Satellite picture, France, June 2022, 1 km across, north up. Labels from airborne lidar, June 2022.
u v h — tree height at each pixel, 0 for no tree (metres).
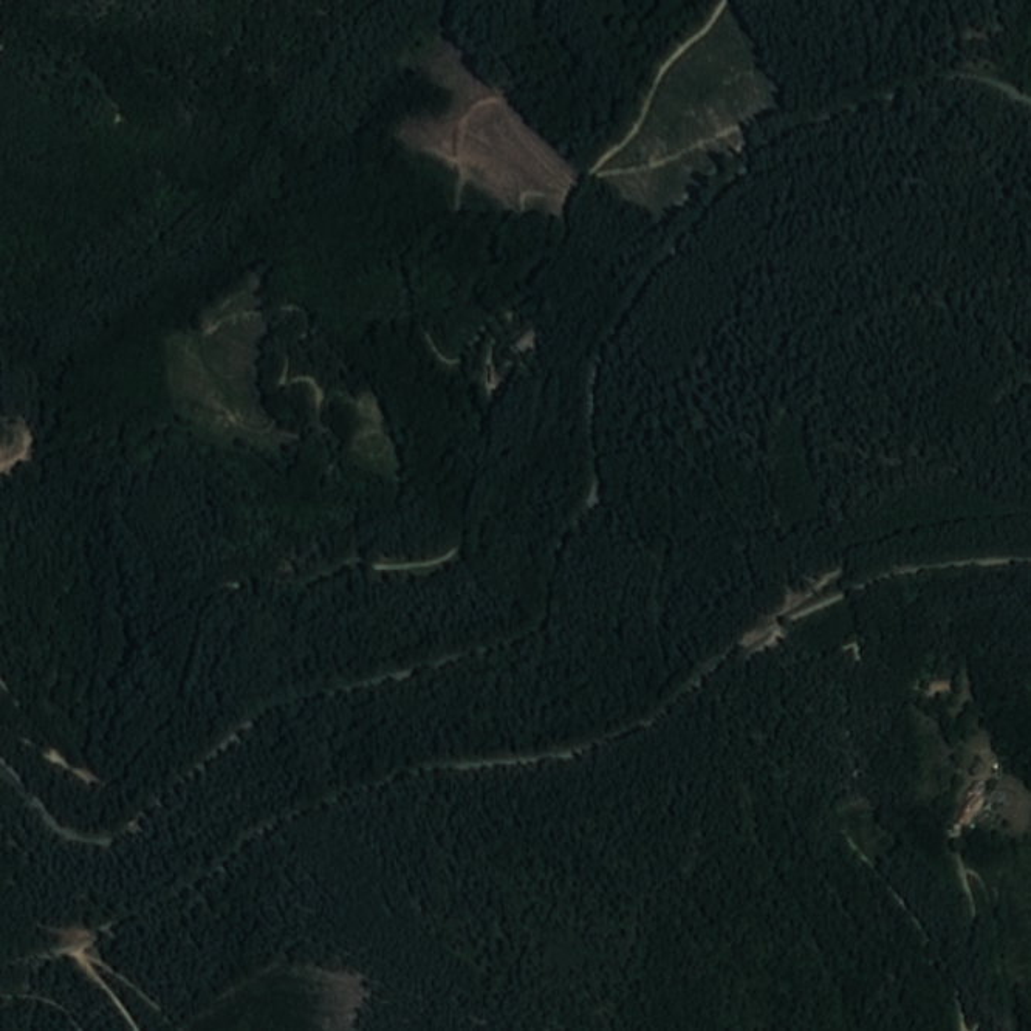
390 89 33
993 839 19
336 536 16
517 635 25
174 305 22
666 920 12
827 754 13
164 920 21
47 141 16
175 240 24
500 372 15
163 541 23
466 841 16
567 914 6
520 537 22
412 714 17
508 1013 13
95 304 35
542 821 8
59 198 15
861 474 26
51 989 18
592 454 16
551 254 28
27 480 30
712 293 27
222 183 15
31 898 20
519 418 30
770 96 0
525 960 7
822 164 25
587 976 8
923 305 11
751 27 30
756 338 29
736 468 12
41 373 25
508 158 0
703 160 0
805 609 0
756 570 21
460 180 0
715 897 25
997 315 28
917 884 26
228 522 22
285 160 20
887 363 19
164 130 14
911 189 13
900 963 15
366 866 15
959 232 20
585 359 20
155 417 21
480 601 16
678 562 16
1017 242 21
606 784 15
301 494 21
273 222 29
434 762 20
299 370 7
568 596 23
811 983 14
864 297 18
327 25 22
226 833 11
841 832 12
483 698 19
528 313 17
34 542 19
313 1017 0
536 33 16
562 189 0
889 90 14
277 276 20
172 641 23
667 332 28
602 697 21
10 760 21
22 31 17
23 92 14
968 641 22
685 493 14
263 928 21
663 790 20
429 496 21
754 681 19
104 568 19
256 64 23
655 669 20
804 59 23
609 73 29
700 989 12
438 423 30
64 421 22
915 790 12
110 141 10
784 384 26
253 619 25
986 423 24
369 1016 17
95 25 16
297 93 33
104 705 24
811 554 19
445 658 16
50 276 10
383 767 21
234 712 24
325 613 24
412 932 17
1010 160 28
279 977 0
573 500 22
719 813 18
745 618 25
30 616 10
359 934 19
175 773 24
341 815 17
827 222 29
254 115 20
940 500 6
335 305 23
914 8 13
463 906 9
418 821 13
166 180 11
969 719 18
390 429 18
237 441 0
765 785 10
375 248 16
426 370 18
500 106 0
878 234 27
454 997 17
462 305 13
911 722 15
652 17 14
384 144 24
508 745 18
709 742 18
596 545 18
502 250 15
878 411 20
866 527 7
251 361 0
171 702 28
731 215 24
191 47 16
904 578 15
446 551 31
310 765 27
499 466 33
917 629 22
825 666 16
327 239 23
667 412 21
